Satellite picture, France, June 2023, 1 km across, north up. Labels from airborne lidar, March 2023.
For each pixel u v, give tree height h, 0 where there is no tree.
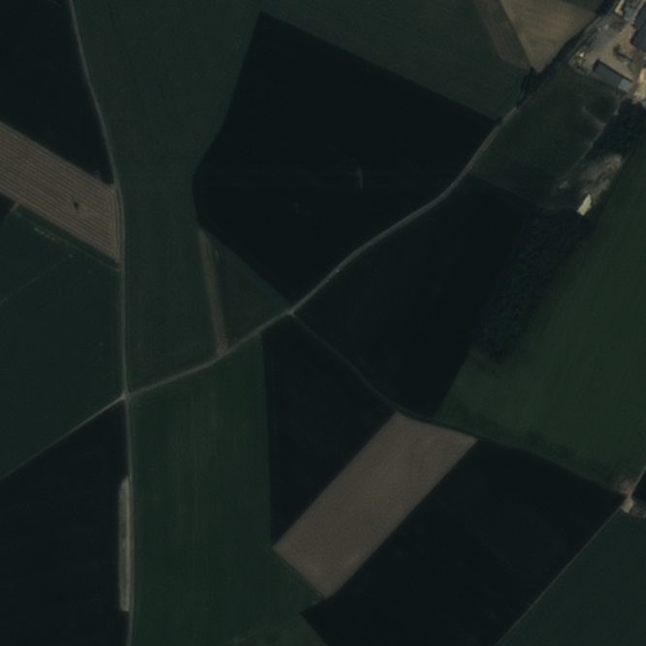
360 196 0
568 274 0
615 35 0
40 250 0
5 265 0
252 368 0
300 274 0
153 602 0
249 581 0
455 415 0
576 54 0
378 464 0
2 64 0
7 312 0
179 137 0
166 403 0
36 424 0
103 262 0
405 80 0
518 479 0
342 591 0
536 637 0
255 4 0
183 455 0
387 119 0
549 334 0
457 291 0
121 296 0
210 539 0
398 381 0
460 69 0
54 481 0
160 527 0
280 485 0
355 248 0
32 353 0
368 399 0
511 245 0
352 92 0
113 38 0
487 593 0
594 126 0
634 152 0
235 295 0
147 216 0
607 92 0
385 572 0
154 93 0
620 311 0
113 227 0
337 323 0
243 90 0
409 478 0
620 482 0
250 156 0
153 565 0
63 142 0
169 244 0
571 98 0
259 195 0
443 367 0
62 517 0
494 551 0
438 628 0
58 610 0
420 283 0
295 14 0
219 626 0
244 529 0
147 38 0
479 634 0
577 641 0
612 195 0
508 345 13
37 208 0
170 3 0
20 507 0
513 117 0
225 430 0
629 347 0
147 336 0
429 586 0
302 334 0
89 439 0
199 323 0
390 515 0
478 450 0
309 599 0
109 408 0
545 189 0
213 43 0
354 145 0
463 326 0
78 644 0
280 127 0
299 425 0
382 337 0
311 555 0
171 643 0
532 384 0
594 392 0
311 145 0
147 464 0
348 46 0
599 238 0
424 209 0
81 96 0
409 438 0
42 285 0
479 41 0
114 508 0
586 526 0
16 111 0
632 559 0
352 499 0
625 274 0
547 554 0
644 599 0
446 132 0
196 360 0
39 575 0
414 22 0
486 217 0
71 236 0
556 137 0
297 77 0
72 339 0
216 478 0
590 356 0
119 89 0
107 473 0
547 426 0
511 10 0
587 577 0
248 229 0
